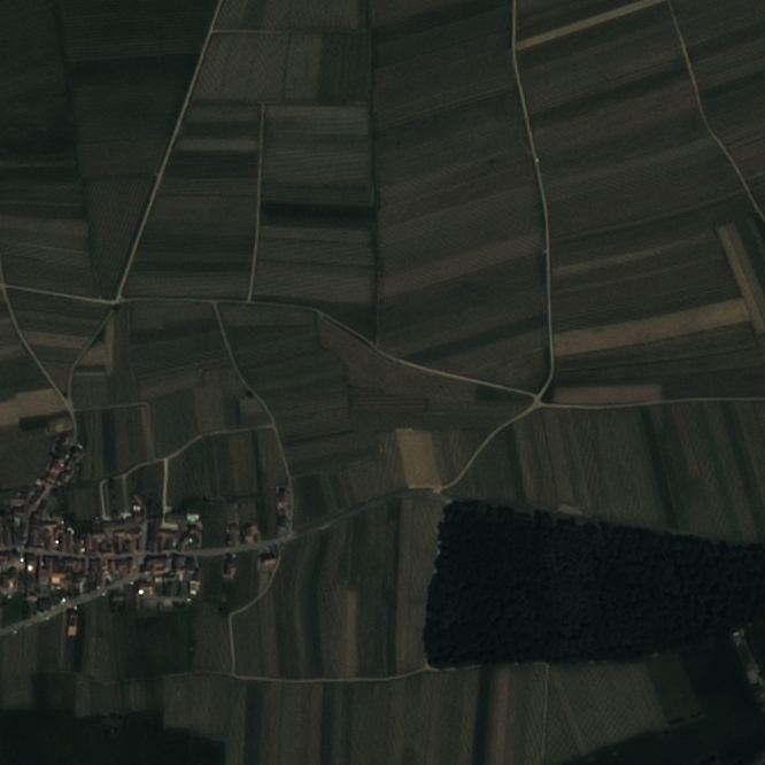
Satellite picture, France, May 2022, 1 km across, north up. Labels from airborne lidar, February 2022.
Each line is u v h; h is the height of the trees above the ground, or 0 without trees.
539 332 0
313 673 0
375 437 0
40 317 0
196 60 0
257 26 0
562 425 0
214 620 0
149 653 0
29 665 0
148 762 0
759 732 0
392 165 0
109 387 0
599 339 0
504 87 0
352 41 0
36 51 0
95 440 0
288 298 0
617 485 0
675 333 0
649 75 0
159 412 0
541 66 0
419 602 0
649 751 0
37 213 0
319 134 0
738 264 0
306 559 0
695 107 0
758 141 0
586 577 31
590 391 0
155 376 0
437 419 0
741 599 25
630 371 0
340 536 0
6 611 0
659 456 0
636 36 0
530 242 0
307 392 0
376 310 0
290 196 0
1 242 0
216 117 0
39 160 0
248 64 0
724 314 0
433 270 0
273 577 0
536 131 0
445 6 0
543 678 0
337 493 0
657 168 0
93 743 0
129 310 0
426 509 0
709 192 0
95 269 0
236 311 0
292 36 0
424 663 0
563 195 0
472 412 0
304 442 0
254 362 0
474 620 0
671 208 0
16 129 0
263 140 0
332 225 0
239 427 0
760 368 0
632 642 24
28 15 0
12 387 0
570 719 0
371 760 0
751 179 0
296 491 0
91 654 0
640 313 0
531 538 17
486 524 19
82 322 0
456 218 0
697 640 28
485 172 0
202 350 0
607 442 0
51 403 0
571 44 0
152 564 0
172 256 0
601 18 0
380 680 0
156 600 0
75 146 0
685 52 0
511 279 0
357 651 0
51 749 0
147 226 0
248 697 0
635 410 0
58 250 0
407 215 0
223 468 0
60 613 0
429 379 0
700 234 0
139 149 0
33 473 0
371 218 0
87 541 0
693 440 0
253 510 0
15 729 0
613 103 0
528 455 0
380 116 0
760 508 0
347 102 0
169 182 0
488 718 0
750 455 0
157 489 0
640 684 0
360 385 0
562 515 0
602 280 0
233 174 0
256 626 0
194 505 0
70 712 0
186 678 0
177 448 0
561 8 0
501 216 0
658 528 0
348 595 0
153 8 0
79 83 0
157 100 0
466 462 0
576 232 0
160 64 0
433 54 0
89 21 0
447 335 0
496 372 0
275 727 0
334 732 0
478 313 0
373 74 0
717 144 0
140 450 0
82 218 0
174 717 0
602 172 0
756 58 0
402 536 0
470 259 0
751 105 0
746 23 0
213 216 0
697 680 0
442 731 0
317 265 0
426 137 0
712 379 0
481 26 0
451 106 0
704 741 0
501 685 0
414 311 0
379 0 0
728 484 0
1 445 0
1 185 0
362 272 0
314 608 0
